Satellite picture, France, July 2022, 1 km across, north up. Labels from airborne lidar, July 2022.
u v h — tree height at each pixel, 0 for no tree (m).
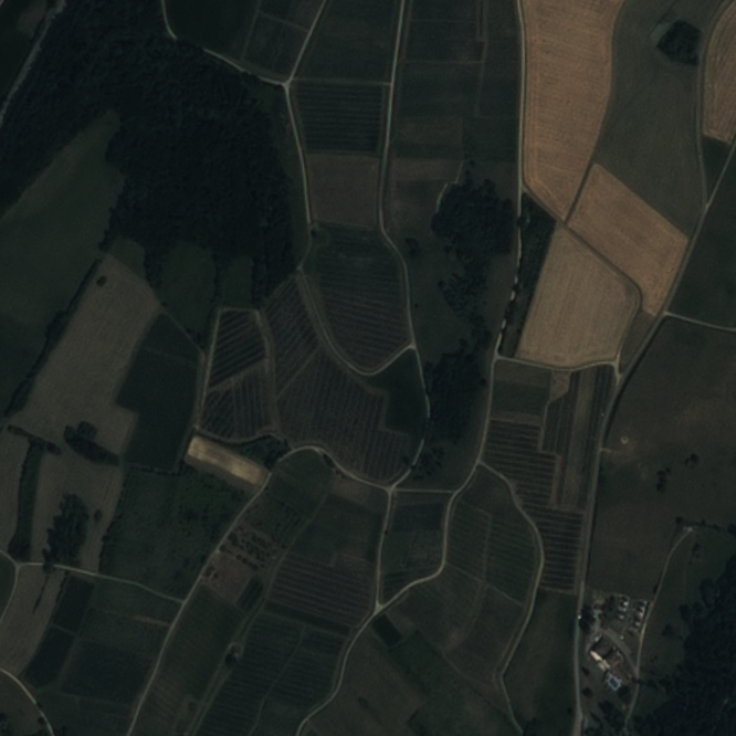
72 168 0
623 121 0
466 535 0
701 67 0
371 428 0
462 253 14
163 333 0
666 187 0
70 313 6
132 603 0
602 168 0
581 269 0
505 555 0
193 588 0
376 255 0
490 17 0
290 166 0
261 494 0
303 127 0
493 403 0
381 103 0
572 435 0
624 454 0
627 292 0
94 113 13
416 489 0
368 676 0
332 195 0
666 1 0
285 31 0
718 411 0
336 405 0
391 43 0
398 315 0
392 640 0
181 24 0
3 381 0
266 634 0
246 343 0
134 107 16
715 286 0
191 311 0
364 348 0
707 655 29
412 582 0
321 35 0
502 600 0
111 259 0
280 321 0
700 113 0
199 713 0
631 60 0
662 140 0
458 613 0
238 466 0
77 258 0
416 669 0
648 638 0
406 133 0
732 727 22
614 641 0
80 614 0
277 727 0
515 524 0
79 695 0
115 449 0
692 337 0
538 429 0
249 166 21
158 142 22
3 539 0
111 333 0
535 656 0
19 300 0
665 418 0
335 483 0
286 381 0
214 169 20
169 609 0
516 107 0
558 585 0
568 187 0
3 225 0
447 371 16
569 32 0
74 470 0
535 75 0
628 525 0
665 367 0
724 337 0
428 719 0
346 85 0
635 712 0
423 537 0
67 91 26
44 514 0
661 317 0
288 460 0
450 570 0
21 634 0
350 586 0
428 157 0
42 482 0
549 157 0
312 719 0
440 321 0
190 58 18
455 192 12
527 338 0
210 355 0
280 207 13
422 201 0
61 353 0
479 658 0
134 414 0
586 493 0
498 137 0
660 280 0
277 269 17
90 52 9
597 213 0
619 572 0
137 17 19
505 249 13
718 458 0
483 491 0
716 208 0
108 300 0
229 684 0
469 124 0
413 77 0
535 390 0
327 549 0
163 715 0
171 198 17
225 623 0
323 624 0
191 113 22
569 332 0
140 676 0
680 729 24
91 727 0
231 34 0
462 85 0
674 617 0
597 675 0
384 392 0
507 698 0
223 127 21
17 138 19
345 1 0
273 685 0
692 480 0
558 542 0
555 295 0
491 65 0
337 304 0
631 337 0
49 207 0
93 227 0
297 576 0
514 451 0
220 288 8
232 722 0
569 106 0
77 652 0
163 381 0
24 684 0
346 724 0
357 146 0
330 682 0
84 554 0
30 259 0
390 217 0
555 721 0
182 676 0
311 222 0
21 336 0
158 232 18
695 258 0
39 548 0
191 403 0
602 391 0
